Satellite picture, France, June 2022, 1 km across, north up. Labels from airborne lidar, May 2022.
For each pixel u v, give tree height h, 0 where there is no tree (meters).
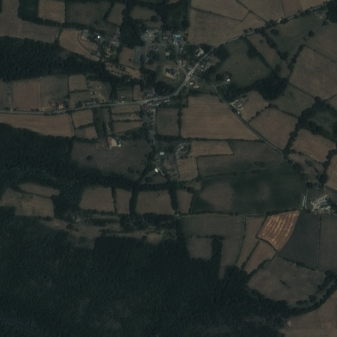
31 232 6
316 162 6
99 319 9
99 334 12
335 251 0
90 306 12
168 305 22
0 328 23
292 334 0
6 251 12
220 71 0
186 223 0
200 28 0
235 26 0
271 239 0
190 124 0
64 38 0
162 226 13
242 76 0
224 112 0
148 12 0
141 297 11
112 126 8
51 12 0
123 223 17
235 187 0
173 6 10
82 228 0
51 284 8
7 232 10
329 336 0
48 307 10
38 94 0
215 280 16
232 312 8
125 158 0
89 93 0
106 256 19
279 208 0
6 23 0
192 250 0
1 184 7
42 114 0
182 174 0
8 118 0
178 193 0
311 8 8
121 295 9
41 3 0
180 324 11
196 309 18
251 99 0
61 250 13
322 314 0
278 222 0
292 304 0
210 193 0
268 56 0
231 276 21
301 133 0
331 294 12
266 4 0
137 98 0
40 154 11
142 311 10
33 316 26
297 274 0
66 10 8
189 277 17
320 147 0
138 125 0
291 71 10
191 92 17
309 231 0
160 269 16
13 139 9
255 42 0
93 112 6
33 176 12
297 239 0
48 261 10
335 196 0
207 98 0
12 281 10
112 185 18
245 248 0
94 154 0
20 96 0
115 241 19
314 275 0
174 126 0
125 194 0
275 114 0
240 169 0
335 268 0
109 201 0
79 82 0
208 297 17
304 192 0
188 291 13
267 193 0
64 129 0
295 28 0
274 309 21
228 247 0
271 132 0
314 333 0
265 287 0
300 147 0
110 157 0
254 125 0
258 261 0
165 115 0
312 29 0
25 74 15
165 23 21
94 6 0
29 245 7
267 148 0
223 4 0
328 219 0
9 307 25
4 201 0
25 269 15
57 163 12
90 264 7
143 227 13
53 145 7
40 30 0
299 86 0
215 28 0
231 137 0
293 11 0
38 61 14
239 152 0
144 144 0
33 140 8
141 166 10
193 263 15
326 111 0
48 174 13
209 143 0
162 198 0
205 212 9
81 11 0
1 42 6
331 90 0
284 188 0
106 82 6
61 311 13
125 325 11
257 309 15
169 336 18
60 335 18
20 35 0
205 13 0
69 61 17
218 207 0
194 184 0
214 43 0
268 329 9
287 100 0
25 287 9
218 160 0
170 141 9
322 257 0
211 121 0
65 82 0
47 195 0
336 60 0
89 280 11
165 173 8
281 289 0
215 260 16
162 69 0
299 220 0
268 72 0
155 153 9
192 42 0
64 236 8
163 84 21
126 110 0
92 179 19
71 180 19
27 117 0
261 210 0
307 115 14
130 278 10
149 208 0
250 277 12
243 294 16
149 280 18
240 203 0
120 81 16
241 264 0
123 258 15
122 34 7
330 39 0
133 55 0
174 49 7
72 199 17
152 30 0
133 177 0
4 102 0
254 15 0
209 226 0
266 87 11
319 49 0
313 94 0
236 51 0
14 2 0
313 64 0
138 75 0
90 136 0
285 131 0
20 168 32
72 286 16
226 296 17
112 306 7
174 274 19
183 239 14
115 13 0
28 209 0
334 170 0
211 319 11
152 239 0
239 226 0
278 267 0
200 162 0
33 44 18
